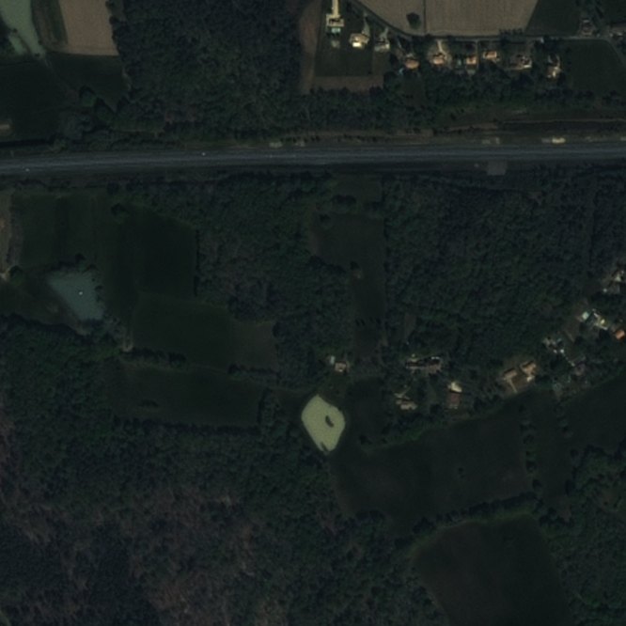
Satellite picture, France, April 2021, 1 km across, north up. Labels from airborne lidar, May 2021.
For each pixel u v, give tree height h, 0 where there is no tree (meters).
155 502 10
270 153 0
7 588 14
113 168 0
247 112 15
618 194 14
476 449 0
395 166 0
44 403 22
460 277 16
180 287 0
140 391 0
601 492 16
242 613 10
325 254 0
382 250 0
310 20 0
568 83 12
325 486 11
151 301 0
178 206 17
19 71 0
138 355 16
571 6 0
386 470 0
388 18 0
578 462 14
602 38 0
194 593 9
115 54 0
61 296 0
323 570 12
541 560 0
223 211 19
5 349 27
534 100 14
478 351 12
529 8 0
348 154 0
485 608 0
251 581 15
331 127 10
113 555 15
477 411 13
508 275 12
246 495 12
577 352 0
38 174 0
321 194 21
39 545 12
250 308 19
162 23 23
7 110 0
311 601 12
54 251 0
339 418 0
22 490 6
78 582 16
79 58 0
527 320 14
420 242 13
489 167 0
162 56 18
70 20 0
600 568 12
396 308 14
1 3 0
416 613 17
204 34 15
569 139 0
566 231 11
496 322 14
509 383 0
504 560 0
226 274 14
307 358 17
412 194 14
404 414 0
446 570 0
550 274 9
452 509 0
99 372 25
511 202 12
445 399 11
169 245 0
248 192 23
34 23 0
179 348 0
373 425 0
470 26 0
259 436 18
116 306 0
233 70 11
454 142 0
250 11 17
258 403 0
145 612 14
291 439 19
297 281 20
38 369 25
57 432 23
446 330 9
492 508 13
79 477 11
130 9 21
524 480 0
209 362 0
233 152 0
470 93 17
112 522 13
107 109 19
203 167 0
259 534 15
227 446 14
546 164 0
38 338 24
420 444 0
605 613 17
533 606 0
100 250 0
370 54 0
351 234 0
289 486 18
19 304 0
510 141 0
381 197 0
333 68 0
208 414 0
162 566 17
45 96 0
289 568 17
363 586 13
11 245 12
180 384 0
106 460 26
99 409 20
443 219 12
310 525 16
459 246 17
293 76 21
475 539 0
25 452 18
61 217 0
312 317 20
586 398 0
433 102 17
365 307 0
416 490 0
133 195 18
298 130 13
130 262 0
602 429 0
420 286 15
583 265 8
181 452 18
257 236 22
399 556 19
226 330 0
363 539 20
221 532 11
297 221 13
